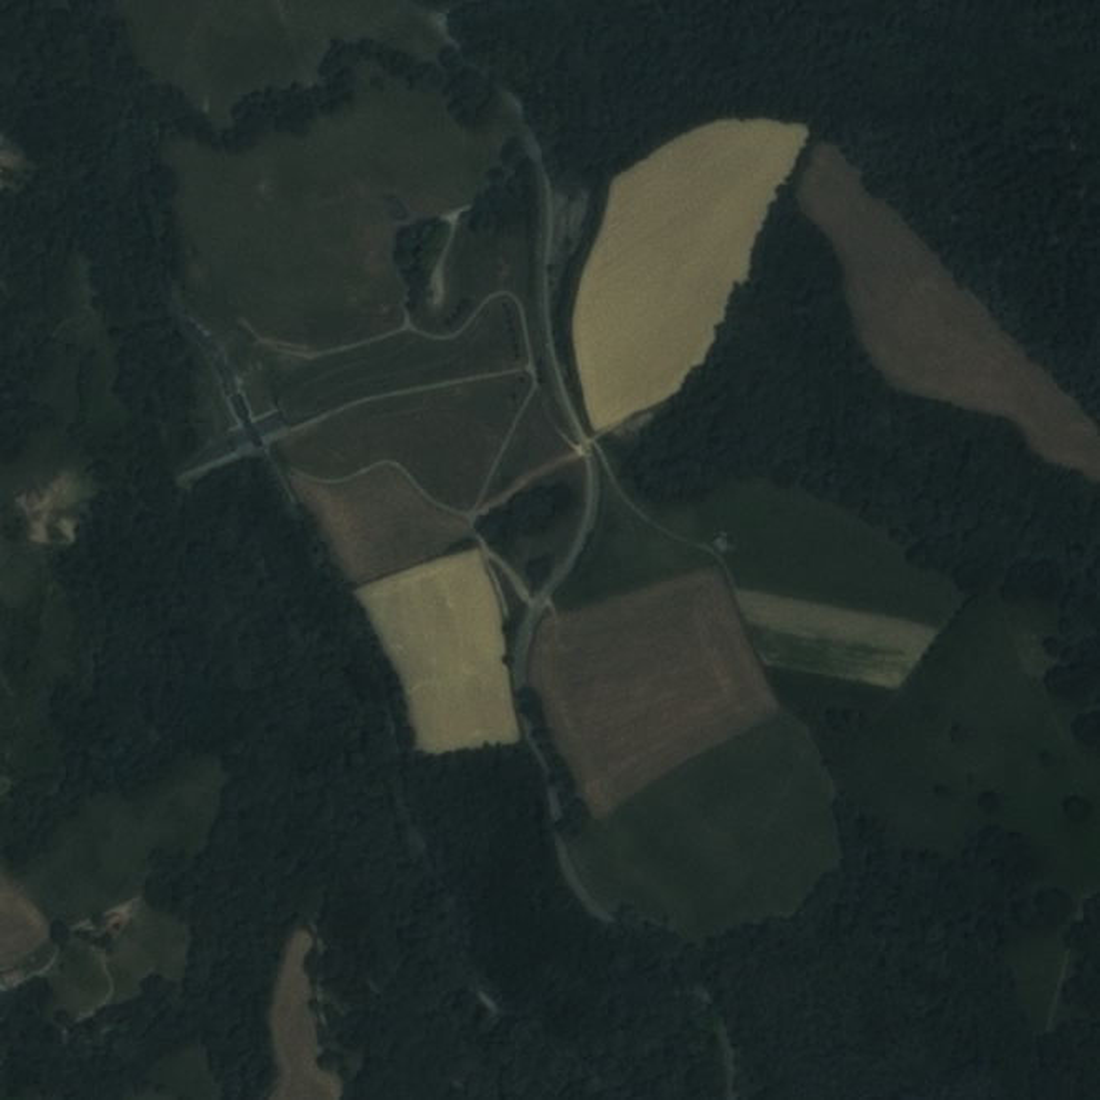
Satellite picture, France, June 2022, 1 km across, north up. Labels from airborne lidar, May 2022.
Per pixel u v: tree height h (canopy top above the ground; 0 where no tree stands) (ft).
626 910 47
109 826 0
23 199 48
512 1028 83
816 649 0
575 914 54
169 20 0
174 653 90
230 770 51
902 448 64
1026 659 0
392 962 60
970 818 0
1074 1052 72
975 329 0
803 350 79
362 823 107
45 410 33
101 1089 57
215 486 41
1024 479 69
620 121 59
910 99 81
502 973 74
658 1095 74
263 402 0
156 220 88
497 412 0
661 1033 64
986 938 89
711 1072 68
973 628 0
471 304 28
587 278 0
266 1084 41
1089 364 72
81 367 28
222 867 80
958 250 49
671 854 0
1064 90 87
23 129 67
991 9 89
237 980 56
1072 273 43
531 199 37
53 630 0
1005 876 84
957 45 77
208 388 0
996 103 102
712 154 0
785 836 0
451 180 0
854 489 62
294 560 60
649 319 0
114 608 60
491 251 0
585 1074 47
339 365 0
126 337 31
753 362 74
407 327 0
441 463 0
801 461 45
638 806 0
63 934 64
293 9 0
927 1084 27
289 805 71
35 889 0
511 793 46
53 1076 89
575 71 83
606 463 0
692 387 36
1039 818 0
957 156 44
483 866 60
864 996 25
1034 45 93
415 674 0
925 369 0
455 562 0
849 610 0
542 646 0
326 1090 0
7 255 30
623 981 57
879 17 86
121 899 0
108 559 70
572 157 68
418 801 31
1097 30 76
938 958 57
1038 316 73
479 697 0
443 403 0
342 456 0
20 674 30
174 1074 0
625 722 0
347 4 0
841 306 77
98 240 68
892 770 0
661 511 0
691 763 0
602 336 0
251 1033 49
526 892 45
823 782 0
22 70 55
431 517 0
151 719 106
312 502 0
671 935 47
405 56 37
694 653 0
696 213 0
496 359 0
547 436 0
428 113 0
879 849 52
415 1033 76
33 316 40
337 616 62
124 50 44
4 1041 30
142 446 37
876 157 52
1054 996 0
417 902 64
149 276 60
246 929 84
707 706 0
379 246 0
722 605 0
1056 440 0
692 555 0
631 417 0
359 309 0
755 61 80
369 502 0
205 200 0
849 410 60
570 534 0
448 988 78
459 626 0
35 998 78
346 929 43
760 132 0
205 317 0
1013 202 83
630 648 0
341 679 81
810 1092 28
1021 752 0
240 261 0
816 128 52
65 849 0
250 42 0
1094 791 0
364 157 0
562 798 31
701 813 0
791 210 47
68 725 54
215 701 65
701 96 29
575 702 0
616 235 0
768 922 36
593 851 0
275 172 0
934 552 73
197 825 0
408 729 30
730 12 61
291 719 84
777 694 0
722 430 82
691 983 88
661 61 92
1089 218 29
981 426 42
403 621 0
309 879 46
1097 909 50
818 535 0
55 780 38
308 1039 0
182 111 45
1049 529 72
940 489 68
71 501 0
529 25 83
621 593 0
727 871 0
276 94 28
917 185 55
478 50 75
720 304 0
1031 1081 36
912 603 0
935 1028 37
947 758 0
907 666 0
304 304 0
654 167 0
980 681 0
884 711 0
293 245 0
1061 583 71
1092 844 0
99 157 76
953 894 71
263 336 0
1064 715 0
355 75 40
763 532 0
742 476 37
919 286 0
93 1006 0
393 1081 71
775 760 0
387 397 0
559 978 46
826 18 48
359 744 43
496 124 0
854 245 0
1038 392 0
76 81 89
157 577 73
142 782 64
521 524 61
